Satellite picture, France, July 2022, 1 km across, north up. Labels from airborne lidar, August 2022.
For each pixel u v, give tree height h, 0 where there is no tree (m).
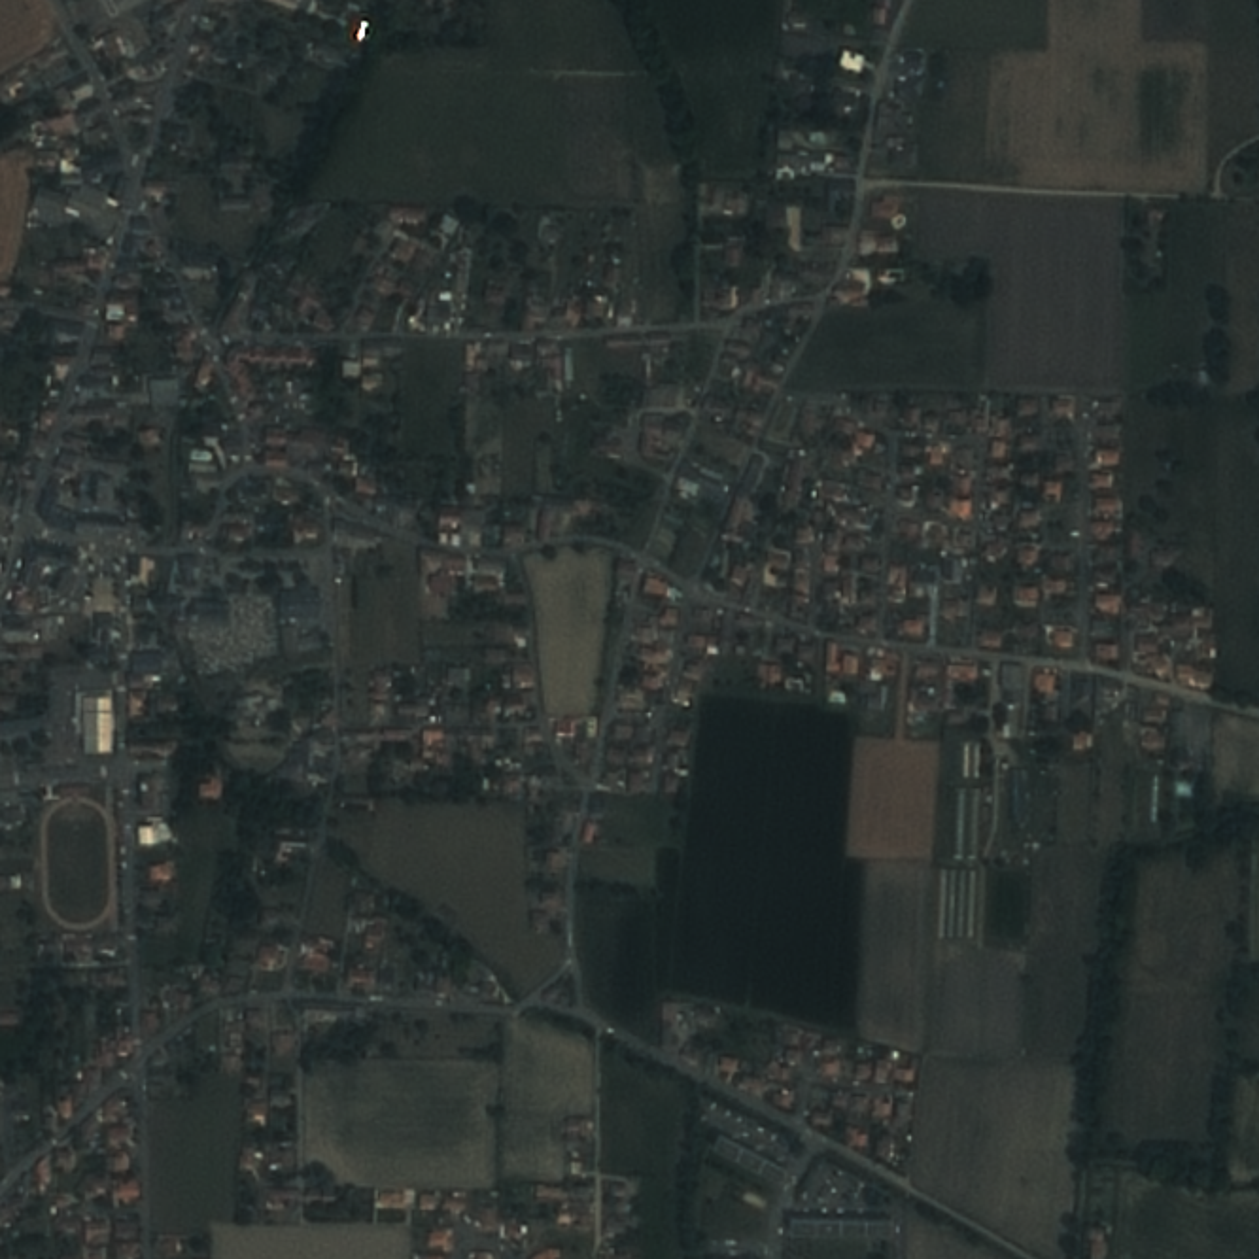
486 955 0
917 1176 0
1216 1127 13
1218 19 0
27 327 11
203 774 8
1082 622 0
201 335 0
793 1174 0
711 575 10
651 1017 0
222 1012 0
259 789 12
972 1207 0
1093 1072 16
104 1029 6
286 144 0
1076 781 0
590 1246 0
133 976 0
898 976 0
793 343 9
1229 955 0
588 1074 0
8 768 0
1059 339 0
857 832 0
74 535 0
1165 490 8
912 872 0
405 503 0
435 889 0
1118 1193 0
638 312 0
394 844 0
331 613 0
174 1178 0
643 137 0
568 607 0
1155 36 0
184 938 0
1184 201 10
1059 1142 0
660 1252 0
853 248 0
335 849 16
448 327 0
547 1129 0
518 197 0
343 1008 0
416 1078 0
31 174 8
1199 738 0
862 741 0
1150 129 0
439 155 0
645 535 0
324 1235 0
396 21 19
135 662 0
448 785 8
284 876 11
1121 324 0
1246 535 0
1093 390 0
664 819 0
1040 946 0
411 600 0
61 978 13
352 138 0
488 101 0
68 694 0
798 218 0
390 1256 0
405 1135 0
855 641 0
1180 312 0
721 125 0
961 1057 0
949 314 0
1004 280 0
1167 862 0
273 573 8
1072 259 0
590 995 0
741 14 0
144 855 0
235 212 0
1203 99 0
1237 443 0
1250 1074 11
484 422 0
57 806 0
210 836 0
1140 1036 0
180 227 0
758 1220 0
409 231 7
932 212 0
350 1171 0
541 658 0
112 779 0
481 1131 0
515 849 0
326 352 6
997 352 0
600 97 0
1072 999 0
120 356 8
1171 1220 0
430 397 0
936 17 0
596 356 0
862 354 0
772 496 6
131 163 0
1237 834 23
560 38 0
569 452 0
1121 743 0
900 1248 0
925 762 0
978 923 0
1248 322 0
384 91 0
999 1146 0
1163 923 0
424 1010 0
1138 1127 0
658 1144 0
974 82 0
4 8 0
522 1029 0
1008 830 0
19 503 0
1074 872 0
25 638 0
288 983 0
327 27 6
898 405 8
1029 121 0
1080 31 0
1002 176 0
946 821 0
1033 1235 0
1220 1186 15
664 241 0
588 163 0
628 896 16
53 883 0
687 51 0
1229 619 0
